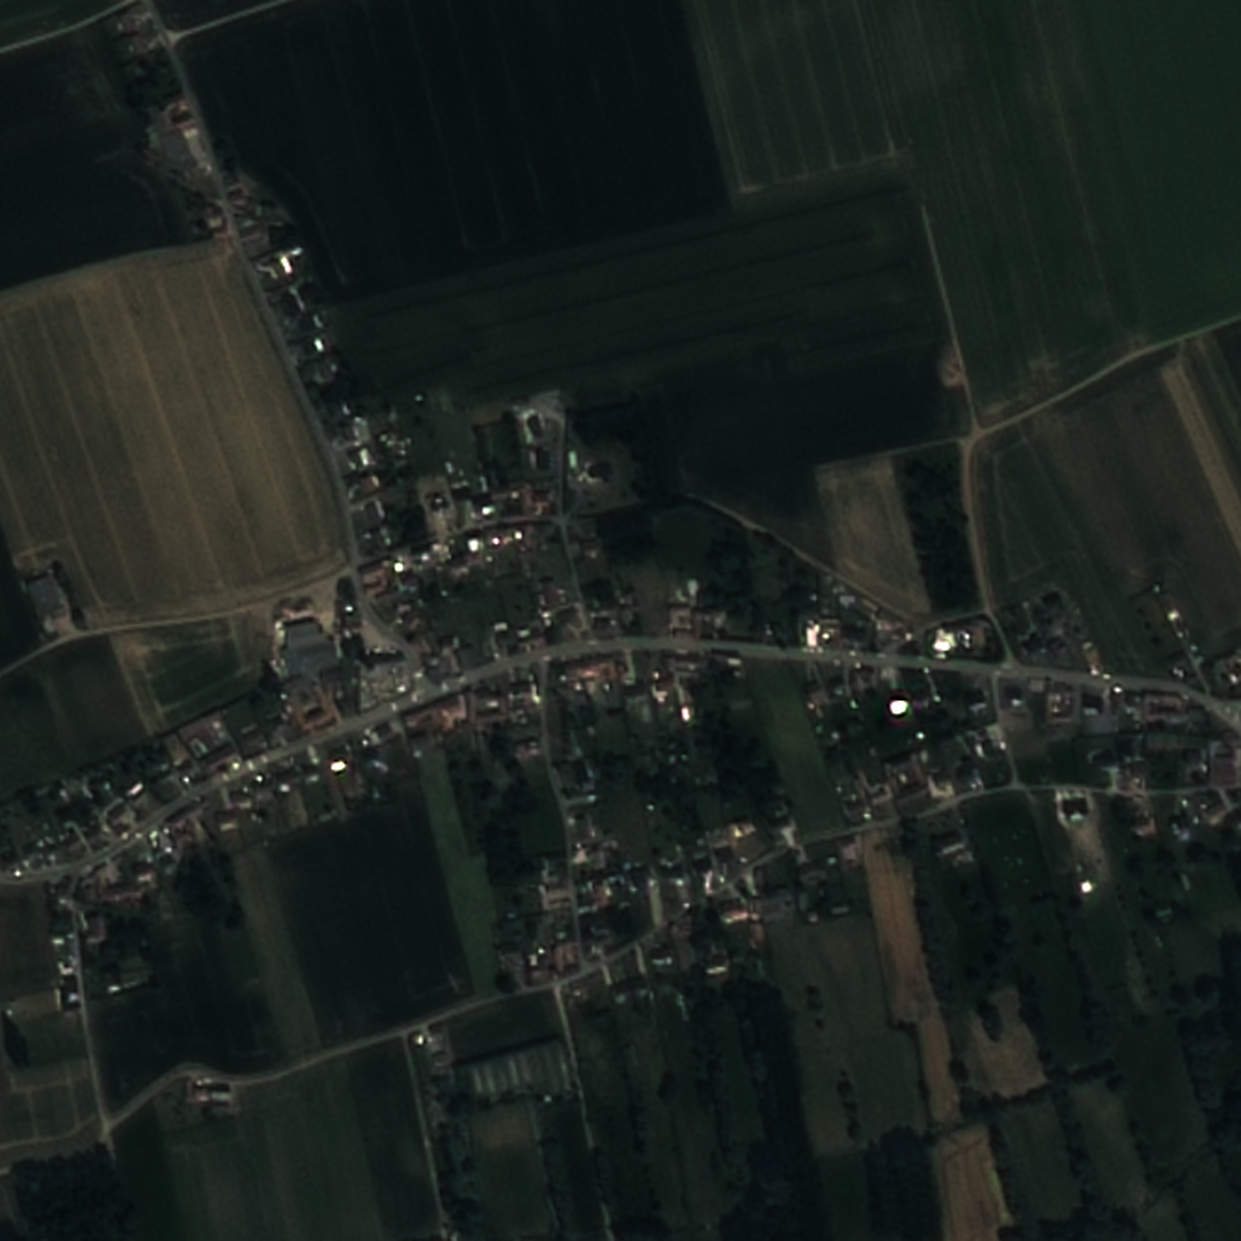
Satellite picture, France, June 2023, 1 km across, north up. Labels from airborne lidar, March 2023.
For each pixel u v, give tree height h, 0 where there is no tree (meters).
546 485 0
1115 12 0
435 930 0
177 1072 0
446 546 0
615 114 0
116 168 0
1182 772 0
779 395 0
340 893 0
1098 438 0
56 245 0
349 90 0
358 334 0
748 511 0
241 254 0
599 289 0
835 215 0
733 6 0
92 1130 0
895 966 0
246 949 0
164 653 0
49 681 0
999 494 0
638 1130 17
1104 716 0
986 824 0
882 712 0
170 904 0
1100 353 0
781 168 0
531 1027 0
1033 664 0
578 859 0
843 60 0
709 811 0
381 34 0
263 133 0
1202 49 0
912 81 0
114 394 0
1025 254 0
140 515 0
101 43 0
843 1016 0
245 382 0
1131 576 0
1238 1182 13
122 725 0
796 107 0
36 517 0
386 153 0
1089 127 0
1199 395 0
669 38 0
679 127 0
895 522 0
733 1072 0
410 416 0
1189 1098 0
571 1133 0
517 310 0
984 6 0
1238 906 0
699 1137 0
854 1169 0
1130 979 0
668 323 0
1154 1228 0
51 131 0
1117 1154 0
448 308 0
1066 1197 0
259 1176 0
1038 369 0
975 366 0
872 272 0
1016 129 0
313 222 0
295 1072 0
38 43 0
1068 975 0
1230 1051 0
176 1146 0
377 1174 0
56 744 0
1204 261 0
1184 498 0
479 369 0
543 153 0
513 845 10
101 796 9
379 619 0
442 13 0
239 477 0
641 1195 0
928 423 0
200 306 0
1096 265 0
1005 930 17
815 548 0
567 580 0
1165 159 0
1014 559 0
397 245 0
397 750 0
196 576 0
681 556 0
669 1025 0
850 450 0
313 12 0
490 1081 0
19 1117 0
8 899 0
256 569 0
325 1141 0
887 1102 0
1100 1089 0
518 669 0
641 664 0
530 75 0
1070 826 0
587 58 0
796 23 0
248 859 0
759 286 0
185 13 0
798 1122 28
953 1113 0
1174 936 0
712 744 13
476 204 0
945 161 0
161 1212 0
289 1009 0
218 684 0
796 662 0
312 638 0
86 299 0
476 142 0
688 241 0
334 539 0
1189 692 0
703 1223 0
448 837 0
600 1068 0
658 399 0
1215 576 0
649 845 0
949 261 0
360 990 0
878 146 0
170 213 0
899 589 0
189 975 0
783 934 0
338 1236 0
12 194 0
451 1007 0
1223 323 0
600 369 0
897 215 0
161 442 0
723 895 0
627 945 0
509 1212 0
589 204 0
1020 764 0
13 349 0
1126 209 0
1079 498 0
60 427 0
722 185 0
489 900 0
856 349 0
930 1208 29
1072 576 0
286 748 0
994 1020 19
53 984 0
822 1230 14
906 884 0
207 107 0
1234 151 0
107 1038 0
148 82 7
